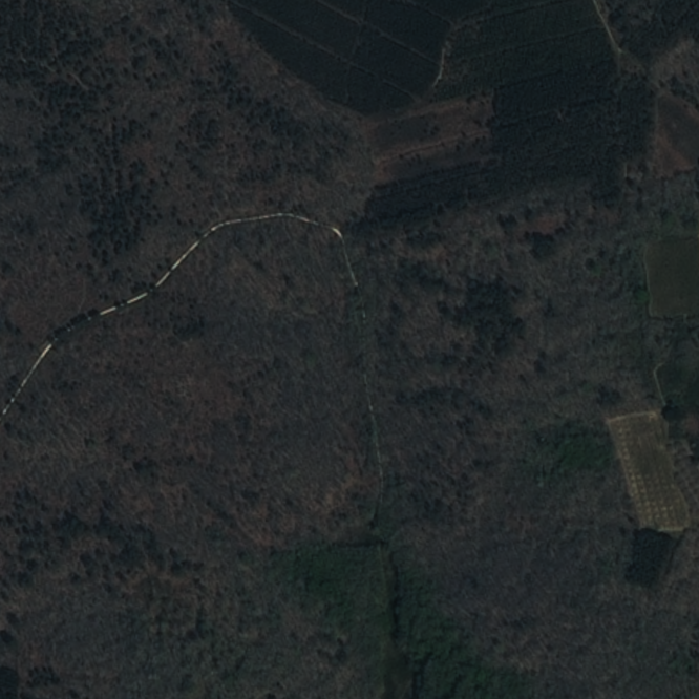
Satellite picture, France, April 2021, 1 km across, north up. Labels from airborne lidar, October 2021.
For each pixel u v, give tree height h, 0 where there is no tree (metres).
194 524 12
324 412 21
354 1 13
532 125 15
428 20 14
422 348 11
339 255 20
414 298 13
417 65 11
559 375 16
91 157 11
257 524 11
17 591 17
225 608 19
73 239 8
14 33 14
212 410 7
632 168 8
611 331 15
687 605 16
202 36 9
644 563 21
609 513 20
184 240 7
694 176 12
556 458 21
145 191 8
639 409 12
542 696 15
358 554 18
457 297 18
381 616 21
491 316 27
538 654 17
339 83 13
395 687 0
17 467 10
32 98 10
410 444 16
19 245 9
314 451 14
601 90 13
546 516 16
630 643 18
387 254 20
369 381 19
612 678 16
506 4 9
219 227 11
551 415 24
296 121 15
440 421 24
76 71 11
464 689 27
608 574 19
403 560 21
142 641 17
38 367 8
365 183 14
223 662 13
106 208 12
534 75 12
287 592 18
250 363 11
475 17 9
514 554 15
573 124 13
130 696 17
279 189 8
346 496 20
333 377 17
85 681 14
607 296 11
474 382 11
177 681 15
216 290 10
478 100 7
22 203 13
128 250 13
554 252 22
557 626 12
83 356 15
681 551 14
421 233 11
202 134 10
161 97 13
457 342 9
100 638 15
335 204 14
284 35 11
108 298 13
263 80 8
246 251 22
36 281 11
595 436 12
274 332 18
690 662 17
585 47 11
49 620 14
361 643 19
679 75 9
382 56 13
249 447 10
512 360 19
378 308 16
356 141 12
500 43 9
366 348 18
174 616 15
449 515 10
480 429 16
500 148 10
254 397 12
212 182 8
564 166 17
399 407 15
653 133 14
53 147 13
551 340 15
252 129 6
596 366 17
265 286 14
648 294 12
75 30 10
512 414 20
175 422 11
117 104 14
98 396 7
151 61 13
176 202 6
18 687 10
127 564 23
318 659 14
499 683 16
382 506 17
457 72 7
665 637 18
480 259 10
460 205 20
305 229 15
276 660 14
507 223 9
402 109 9
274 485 15
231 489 10
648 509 5
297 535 15
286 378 18
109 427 7
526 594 13
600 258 12
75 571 14
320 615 17
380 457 18
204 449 11
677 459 9
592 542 15
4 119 11
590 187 11
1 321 10
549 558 16
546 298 13
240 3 11
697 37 18
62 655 9
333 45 11
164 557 13
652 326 11
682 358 12
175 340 9
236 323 17
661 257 0
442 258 11
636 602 14
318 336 19
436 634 27
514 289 7
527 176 17
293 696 10
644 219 25
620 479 22
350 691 19
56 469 12
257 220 12
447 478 13
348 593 22
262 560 17
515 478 12
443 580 12
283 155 16
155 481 12
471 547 19
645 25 13
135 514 10
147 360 7
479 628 20
